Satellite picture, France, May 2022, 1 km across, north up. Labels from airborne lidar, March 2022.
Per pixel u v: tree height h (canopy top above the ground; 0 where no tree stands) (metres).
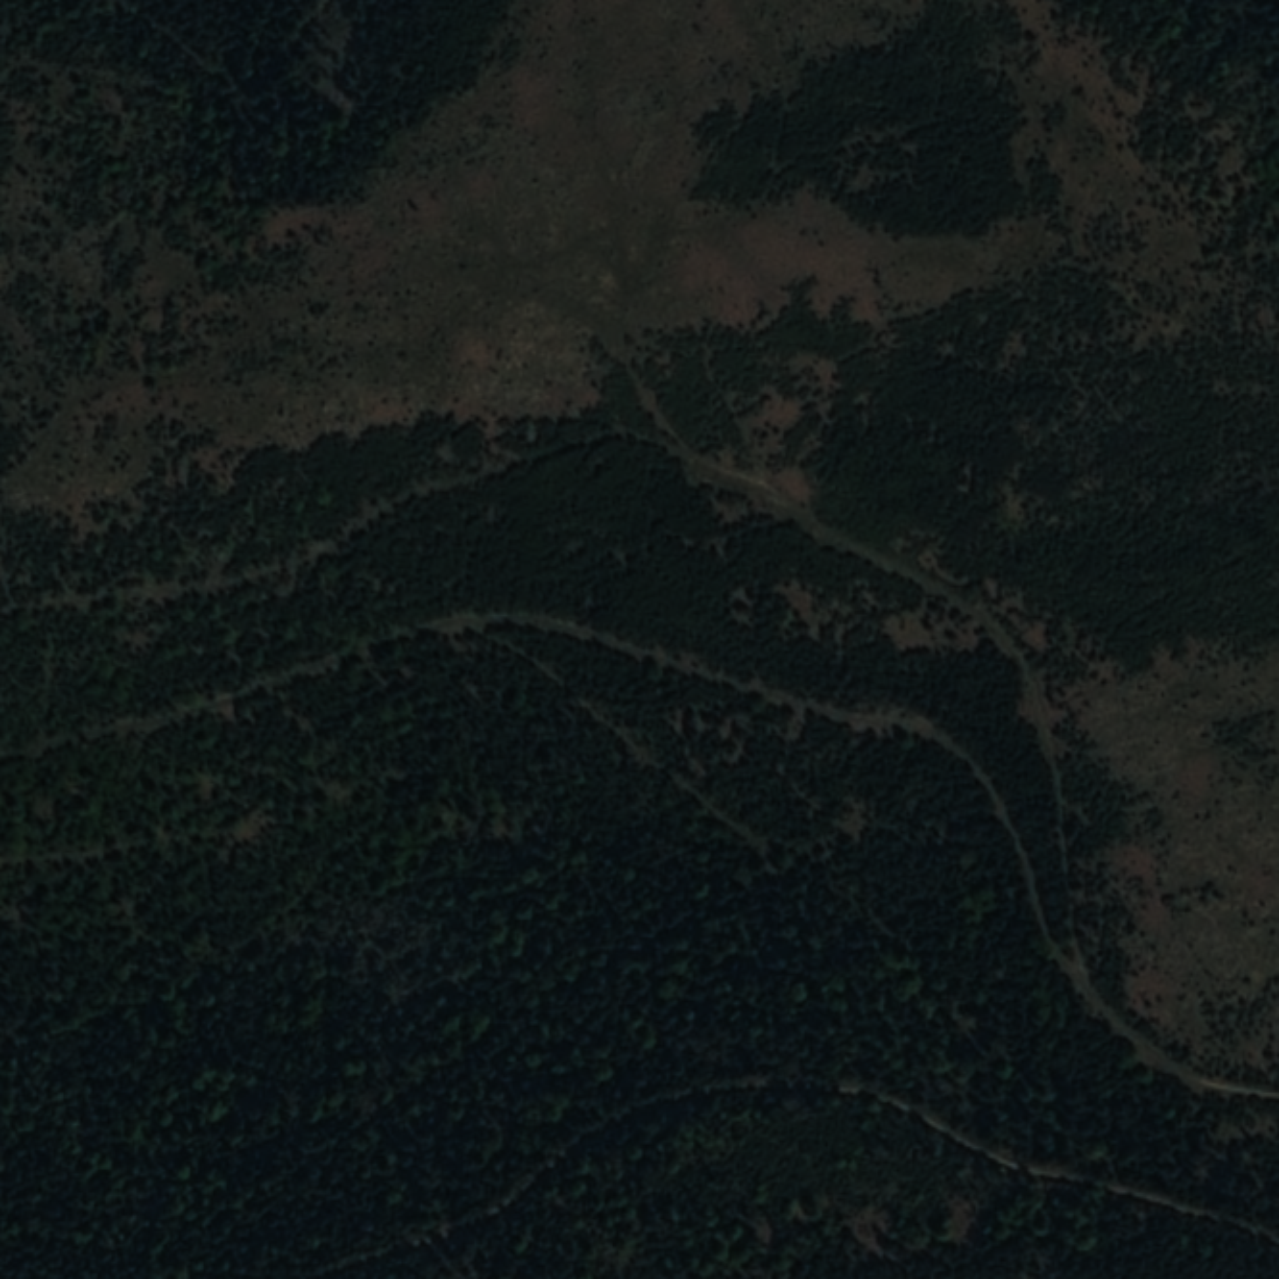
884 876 11
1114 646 7
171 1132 13
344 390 0
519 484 10
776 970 25
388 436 8
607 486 8
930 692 14
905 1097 13
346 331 0
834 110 5
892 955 21
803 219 0
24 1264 14
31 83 6
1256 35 28
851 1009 24
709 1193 8
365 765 9
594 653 14
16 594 11
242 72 31
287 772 11
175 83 19
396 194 0
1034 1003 17
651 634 12
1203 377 6
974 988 11
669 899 13
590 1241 8
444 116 0
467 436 9
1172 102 7
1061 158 0
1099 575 8
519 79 0
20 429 7
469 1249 23
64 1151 7
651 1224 29
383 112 15
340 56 8
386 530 10
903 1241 14
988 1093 33
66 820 9
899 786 8
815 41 0
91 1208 15
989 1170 25
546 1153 16
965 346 9
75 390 0
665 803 9
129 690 15
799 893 14
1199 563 8
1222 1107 9
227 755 11
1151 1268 18
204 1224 14
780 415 0
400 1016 18
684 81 0
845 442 6
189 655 8
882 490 7
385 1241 17
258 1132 13
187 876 14
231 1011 12
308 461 9
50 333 6
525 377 0
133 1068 25
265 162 22
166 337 6
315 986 10
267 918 13
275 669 12
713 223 0
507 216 0
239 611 10
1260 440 6
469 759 10
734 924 24
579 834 9
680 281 0
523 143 0
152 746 12
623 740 6
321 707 11
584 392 0
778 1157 6
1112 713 0
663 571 8
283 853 7
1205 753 0
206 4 25
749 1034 31
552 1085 11
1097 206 0
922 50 9
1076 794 8
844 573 7
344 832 11
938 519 8
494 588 12
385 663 15
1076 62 0
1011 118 6
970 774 15
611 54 0
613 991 28
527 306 0
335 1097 28
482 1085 13
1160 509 8
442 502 11
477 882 13
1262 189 8
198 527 9
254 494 11
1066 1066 9
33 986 12
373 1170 7
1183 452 6
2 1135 28
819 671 13
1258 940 0
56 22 10
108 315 10
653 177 0
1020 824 17
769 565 9
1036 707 0
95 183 6
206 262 12
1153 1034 8
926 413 11
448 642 12
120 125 14
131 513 11
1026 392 11
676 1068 28
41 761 8
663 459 7
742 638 11
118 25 15
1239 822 0
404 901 12
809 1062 26
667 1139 27
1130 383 6
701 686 16
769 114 6
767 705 12
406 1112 8
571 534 8
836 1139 6
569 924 19
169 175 7
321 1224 20
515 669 9
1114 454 9
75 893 10
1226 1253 13
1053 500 9
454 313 0
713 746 15
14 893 10
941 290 0
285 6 27
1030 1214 20
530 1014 21
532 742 22
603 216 0
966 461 10
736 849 15
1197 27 5
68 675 10
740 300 0
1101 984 7
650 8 0
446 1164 12
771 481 0
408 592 11
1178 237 0
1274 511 10
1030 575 6
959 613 10
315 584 12
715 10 0
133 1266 14
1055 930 18
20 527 6
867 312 0
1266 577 6
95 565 6
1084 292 7
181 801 9
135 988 15
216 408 0
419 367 0
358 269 0
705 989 22
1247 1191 30
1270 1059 10
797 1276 12
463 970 20
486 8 6
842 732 11
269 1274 13
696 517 9
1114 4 6
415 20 16
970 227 8
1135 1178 20
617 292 0
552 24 0
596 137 0
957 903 15
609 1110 28
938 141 8
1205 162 8
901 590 6
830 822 12
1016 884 16
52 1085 25
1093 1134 31
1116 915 7
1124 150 7
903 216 9
